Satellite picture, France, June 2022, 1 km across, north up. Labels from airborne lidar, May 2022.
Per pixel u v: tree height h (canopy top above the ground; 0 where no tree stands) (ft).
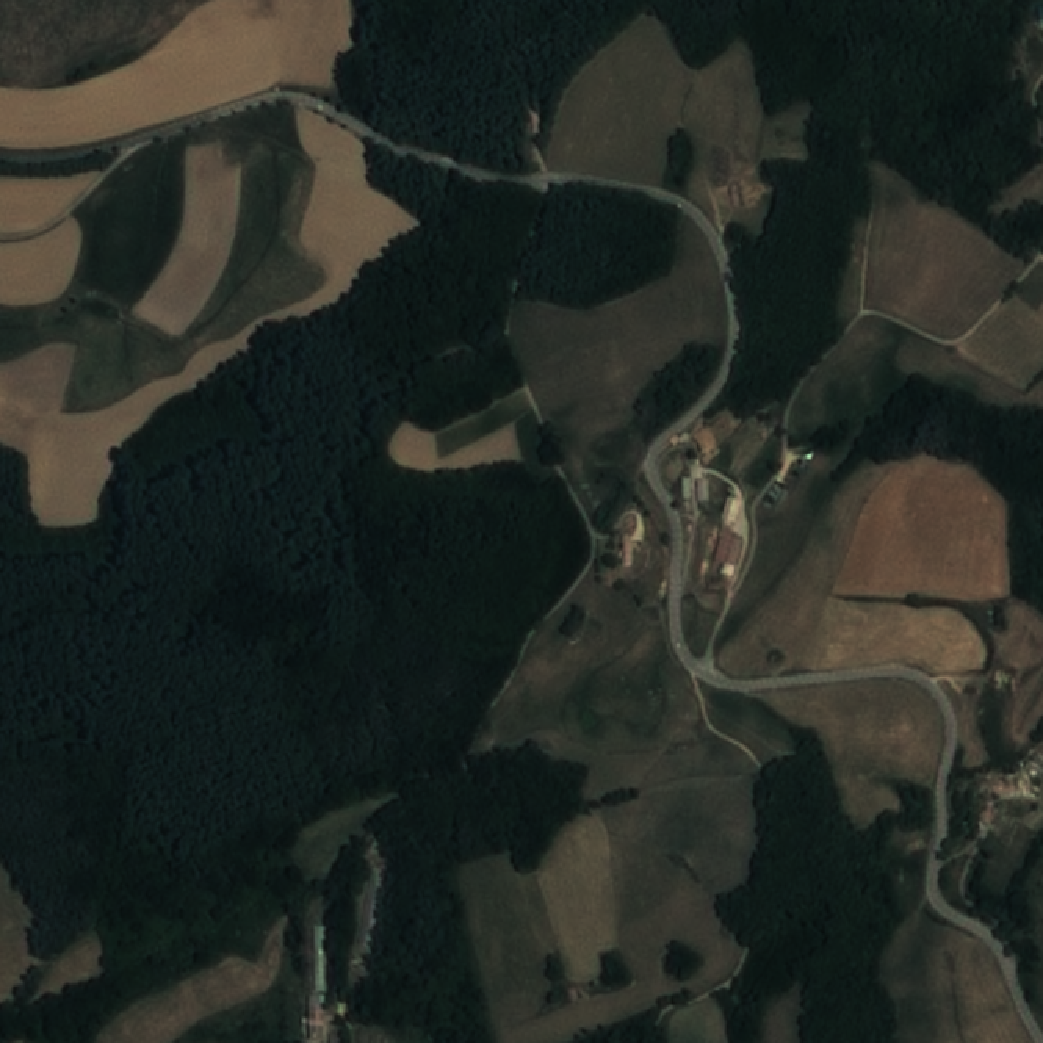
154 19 0
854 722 0
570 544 25
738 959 0
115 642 108
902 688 0
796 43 28
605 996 0
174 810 93
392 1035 0
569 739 0
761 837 39
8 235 0
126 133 0
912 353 0
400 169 61
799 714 0
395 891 54
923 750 0
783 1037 0
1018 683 0
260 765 88
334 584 87
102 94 0
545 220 53
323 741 62
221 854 69
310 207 0
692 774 0
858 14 68
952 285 0
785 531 0
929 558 0
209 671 105
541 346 0
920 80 57
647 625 0
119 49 0
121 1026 0
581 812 48
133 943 22
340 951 57
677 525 0
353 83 46
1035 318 0
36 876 71
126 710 100
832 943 51
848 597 0
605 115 0
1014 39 36
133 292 0
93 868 78
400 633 64
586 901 0
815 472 0
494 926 0
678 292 0
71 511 0
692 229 0
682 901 0
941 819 0
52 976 0
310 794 98
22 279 0
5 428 0
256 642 74
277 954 0
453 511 66
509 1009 0
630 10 56
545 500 34
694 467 0
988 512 0
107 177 0
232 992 0
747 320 43
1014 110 38
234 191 0
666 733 0
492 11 61
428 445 0
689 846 0
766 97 41
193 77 0
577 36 83
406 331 65
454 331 46
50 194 0
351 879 51
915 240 0
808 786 67
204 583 109
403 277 55
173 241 0
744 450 0
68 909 77
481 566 68
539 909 0
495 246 55
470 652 55
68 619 94
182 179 0
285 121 0
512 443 0
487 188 52
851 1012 59
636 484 0
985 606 0
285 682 66
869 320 0
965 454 38
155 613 109
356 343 70
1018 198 0
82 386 0
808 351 53
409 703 52
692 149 33
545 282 64
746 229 50
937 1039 0
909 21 59
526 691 0
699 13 57
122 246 0
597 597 0
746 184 0
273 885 51
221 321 0
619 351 0
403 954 36
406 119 91
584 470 0
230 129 0
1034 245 26
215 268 0
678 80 0
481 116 104
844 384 0
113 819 90
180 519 114
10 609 98
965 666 0
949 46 47
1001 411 55
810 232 63
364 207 0
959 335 0
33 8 0
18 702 102
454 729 64
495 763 47
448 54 66
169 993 0
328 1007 28
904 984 0
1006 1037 0
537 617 52
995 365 0
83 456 0
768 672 0
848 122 63
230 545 95
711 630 0
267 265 0
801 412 0
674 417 38
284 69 0
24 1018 36
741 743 0
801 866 80
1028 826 0
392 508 66
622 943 0
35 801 74
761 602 0
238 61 0
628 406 0
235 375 62
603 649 0
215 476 106
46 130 0
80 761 68
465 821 66
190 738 77
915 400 45
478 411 44
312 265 0
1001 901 32
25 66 0
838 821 48
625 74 0
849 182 57
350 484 58
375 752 53
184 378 0
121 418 0
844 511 0
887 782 0
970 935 0
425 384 54
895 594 0
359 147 0
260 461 106
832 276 49
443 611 57
